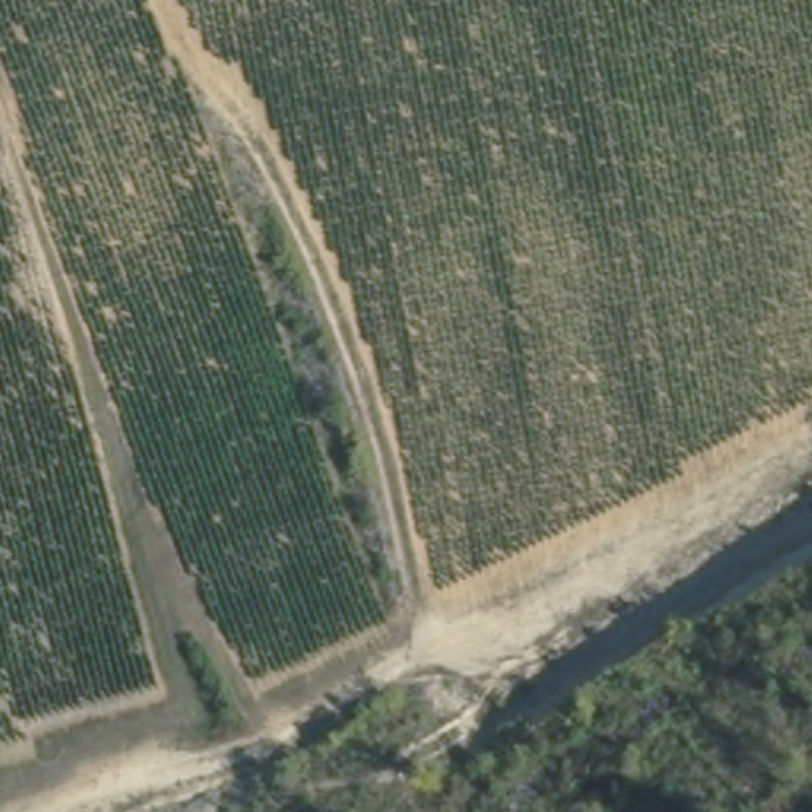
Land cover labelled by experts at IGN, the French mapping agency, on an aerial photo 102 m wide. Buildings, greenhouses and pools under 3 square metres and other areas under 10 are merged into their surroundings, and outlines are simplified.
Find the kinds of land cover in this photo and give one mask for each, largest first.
<instances>
[{"label":"vineyard","instance_id":"1","mask_svg":"<svg viewBox=\"0 0 812 812\"><path fill-rule=\"evenodd\" d=\"M783 435H793V441L812 438V0H0V809L16 799L38 796L44 790H57L86 761L127 755L146 742H152L155 749L197 752L228 736H241L247 730L263 726L282 707L292 711L298 723H305L314 711L330 714L346 698L371 685L368 666L384 660L390 650L409 644L416 622L425 612L463 619L492 609H517L520 599L571 577L568 565L542 571L539 565H533V558L523 552L527 546H536L539 539L555 536L580 520H590L609 508H619L660 482H666L676 495H691L695 485L711 482L739 460L758 457L764 444Z\"/></svg>","mask_w":812,"mask_h":812},{"label":"coniferous trees","instance_id":"2","mask_svg":"<svg viewBox=\"0 0 812 812\"><path fill-rule=\"evenodd\" d=\"M514 672L466 676L435 663L409 669L396 682H381L377 698L358 707V714L343 730L330 733L320 745L301 749L292 739L260 742L247 752L238 749L232 752L228 768L174 780L168 787L140 790L114 802L111 812H812V561H806V571L787 565L777 568L758 587H736L717 609L695 612L691 619H669L666 634L660 641L644 644V650L631 660L603 666L596 679L584 682L574 704L565 701L555 714L536 717L530 723L536 749L514 745V764L508 758L495 761V755H482L460 774L447 764V752L454 745H463L476 730V720L485 711L488 695H511Z\"/></svg>","mask_w":812,"mask_h":812},{"label":"pervious surface","instance_id":"3","mask_svg":"<svg viewBox=\"0 0 812 812\"><path fill-rule=\"evenodd\" d=\"M523 552L533 558V565H539L542 571L568 565L571 577L520 599L517 609H492L463 619L425 612L416 622L409 644L390 650L384 660L368 666L371 685L346 698L330 714L314 711L305 723H298L292 711L282 707L263 726L247 730L241 736H228L197 752L155 749L152 742H146L127 755L86 761L57 790H44L38 796L16 799L0 809V812H111L114 802L140 790L168 787L174 780L228 768L232 752L238 749L247 752L260 742L292 739L301 749L320 745L330 733L343 730L358 714V707L377 698L381 682H396L409 669L435 663L466 676L514 672L511 695H488L485 711L476 720V730L463 745H454L447 752V764L460 774L482 755H495V761L508 758L514 764V745L536 749L530 723L536 717L555 714L565 701L574 704L584 682L596 679L603 666L631 660L644 650V644L660 641L666 634L669 619H691L695 612L717 609L736 587H758L777 568L787 565L806 571V561H812V438L793 441V435H783L764 444L758 457L739 460L711 482L695 485L691 495H676L666 482H660L619 508H609L590 520H580L555 536L539 539L536 546H527Z\"/></svg>","mask_w":812,"mask_h":812}]
</instances>
